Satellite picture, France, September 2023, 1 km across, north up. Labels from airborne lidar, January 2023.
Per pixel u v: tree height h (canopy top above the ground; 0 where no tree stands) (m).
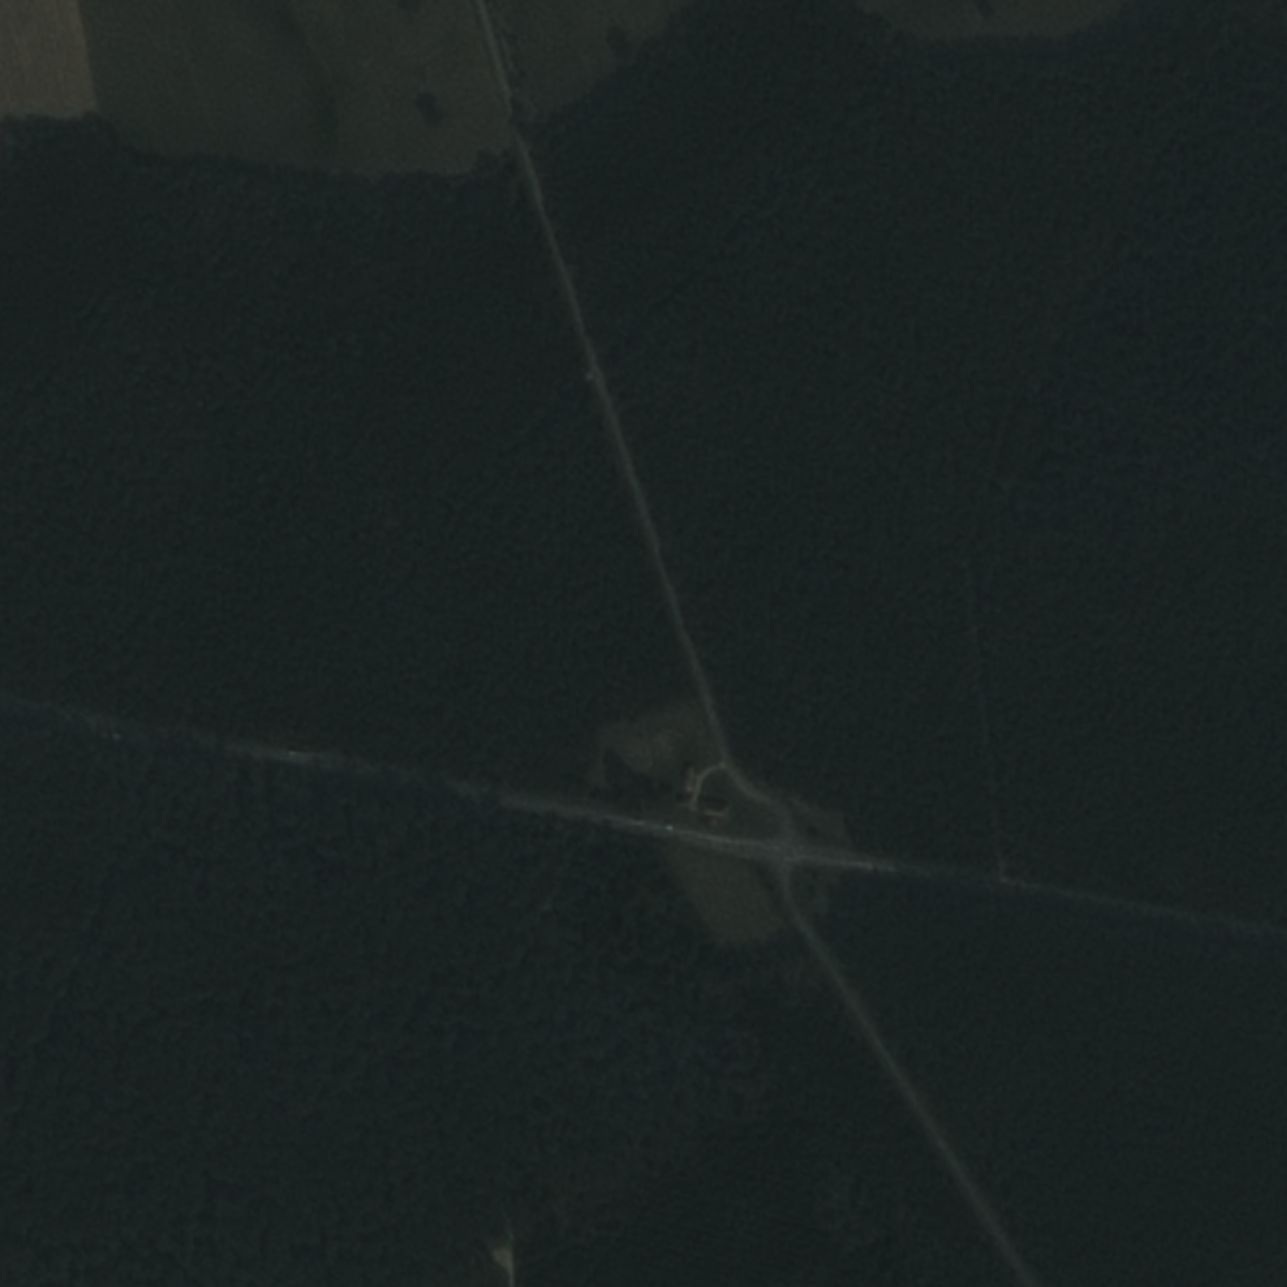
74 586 22
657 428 20
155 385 24
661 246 17
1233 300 22
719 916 0
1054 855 20
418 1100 31
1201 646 21
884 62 15
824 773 21
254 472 22
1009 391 15
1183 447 23
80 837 21
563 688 23
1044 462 16
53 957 27
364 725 22
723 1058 26
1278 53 14
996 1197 19
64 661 18
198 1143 32
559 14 0
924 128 23
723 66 17
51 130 12
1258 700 24
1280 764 24
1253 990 21
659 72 18
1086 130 23
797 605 22
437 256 15
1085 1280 22
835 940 16
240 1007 18
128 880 28
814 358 21
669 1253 6
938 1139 0
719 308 22
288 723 18
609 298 13
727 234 19
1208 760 24
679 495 21
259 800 28
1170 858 22
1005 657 20
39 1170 34
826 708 22
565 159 16
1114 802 22
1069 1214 22
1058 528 22
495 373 14
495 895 28
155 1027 25
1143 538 28
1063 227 22
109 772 25
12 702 0
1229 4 14
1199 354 23
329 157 0
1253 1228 19
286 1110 31
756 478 21
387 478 15
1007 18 0
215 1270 31
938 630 25
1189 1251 22
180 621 24
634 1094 29
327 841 24
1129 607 24
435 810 23
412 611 20
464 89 0
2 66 0
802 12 16
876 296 23
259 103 0
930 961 21
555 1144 29
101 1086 32
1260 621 22
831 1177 18
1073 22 0
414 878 19
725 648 20
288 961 31
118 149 20
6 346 19
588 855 11
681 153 17
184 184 16
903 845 21
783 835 0
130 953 32
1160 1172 20
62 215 17
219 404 24
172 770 25
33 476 21
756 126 16
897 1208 10
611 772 15
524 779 19
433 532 17
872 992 18
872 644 23
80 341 19
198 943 29
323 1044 27
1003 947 21
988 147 22
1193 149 16
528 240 17
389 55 0
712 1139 6
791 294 23
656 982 14
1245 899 20
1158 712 22
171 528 21
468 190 12
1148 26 22
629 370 19
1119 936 21
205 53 0
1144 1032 22
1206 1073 22
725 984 23
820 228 23
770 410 22
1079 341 23
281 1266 33
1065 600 21
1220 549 21
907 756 24
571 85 0
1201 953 21
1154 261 24
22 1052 29
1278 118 25
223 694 21
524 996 27
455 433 12
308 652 18
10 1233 31
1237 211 25
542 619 19
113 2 0
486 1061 29
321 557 21
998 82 21
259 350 15
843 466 22
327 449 24
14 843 25
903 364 22
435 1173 30
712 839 0
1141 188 20
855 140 18
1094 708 24
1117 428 23
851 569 21
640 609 24
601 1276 6
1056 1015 21
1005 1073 22
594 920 18
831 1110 6
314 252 20
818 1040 6
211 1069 34
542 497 19
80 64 0
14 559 21
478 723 24
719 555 21
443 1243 29
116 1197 32
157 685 25
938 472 22
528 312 13
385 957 30
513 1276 0
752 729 19
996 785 19
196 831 30
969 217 22
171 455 18
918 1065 21
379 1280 31
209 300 24
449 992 27
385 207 14
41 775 23
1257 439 26
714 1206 6
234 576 23
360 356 14
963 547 21
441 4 0
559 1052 31
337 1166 31
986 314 24
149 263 19
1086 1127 22
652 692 17
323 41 0
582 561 22
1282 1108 23
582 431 18
